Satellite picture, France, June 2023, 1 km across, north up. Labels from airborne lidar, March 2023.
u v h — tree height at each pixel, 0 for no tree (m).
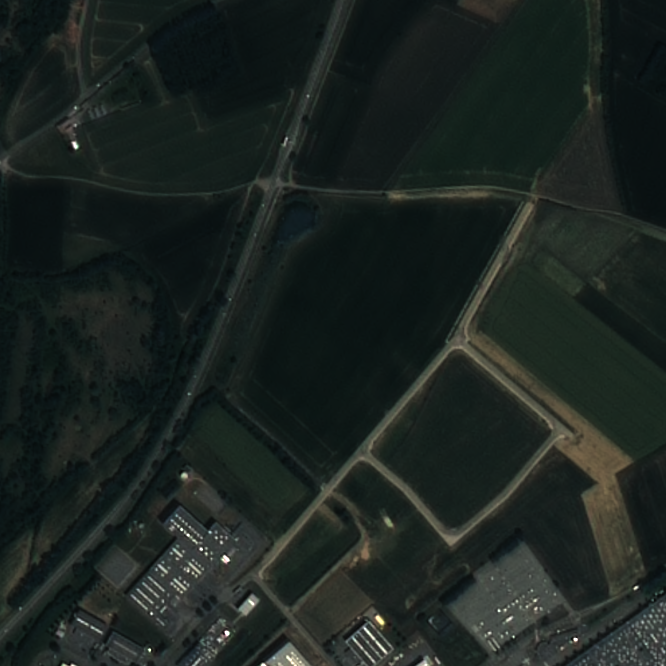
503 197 0
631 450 0
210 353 0
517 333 0
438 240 0
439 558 0
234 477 0
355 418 0
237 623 0
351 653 0
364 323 0
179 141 0
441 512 0
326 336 0
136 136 0
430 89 0
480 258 0
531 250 0
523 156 0
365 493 0
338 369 0
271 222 0
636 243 0
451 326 0
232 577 0
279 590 0
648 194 0
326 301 0
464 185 0
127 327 0
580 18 0
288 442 0
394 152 0
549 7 0
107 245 0
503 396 0
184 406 0
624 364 0
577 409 0
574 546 0
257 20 0
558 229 0
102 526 0
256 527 0
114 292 0
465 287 0
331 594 0
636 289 0
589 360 0
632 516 0
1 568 0
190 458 0
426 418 0
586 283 0
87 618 0
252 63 0
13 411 0
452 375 0
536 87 0
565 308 0
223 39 26
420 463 0
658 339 0
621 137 0
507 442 0
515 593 0
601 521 0
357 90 0
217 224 0
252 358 0
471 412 0
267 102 0
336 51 0
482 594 0
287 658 0
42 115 0
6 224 6
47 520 0
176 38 27
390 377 0
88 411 0
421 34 0
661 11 0
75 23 0
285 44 0
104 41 0
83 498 0
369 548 0
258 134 0
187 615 0
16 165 0
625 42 0
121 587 0
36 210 0
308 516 0
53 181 0
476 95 0
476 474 0
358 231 0
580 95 0
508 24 0
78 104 0
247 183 0
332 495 0
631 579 0
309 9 0
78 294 0
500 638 0
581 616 0
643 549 0
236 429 0
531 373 0
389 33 0
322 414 0
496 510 0
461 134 0
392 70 0
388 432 0
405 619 0
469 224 0
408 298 0
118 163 0
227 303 0
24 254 0
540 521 0
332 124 0
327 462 0
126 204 0
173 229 0
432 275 0
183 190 0
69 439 0
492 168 0
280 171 0
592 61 0
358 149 0
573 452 0
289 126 0
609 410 0
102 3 0
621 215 0
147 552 0
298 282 0
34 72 0
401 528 0
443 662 0
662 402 0
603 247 0
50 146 0
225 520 0
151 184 0
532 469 0
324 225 0
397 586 0
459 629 0
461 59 0
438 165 0
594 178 0
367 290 0
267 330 0
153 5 0
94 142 0
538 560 0
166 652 0
